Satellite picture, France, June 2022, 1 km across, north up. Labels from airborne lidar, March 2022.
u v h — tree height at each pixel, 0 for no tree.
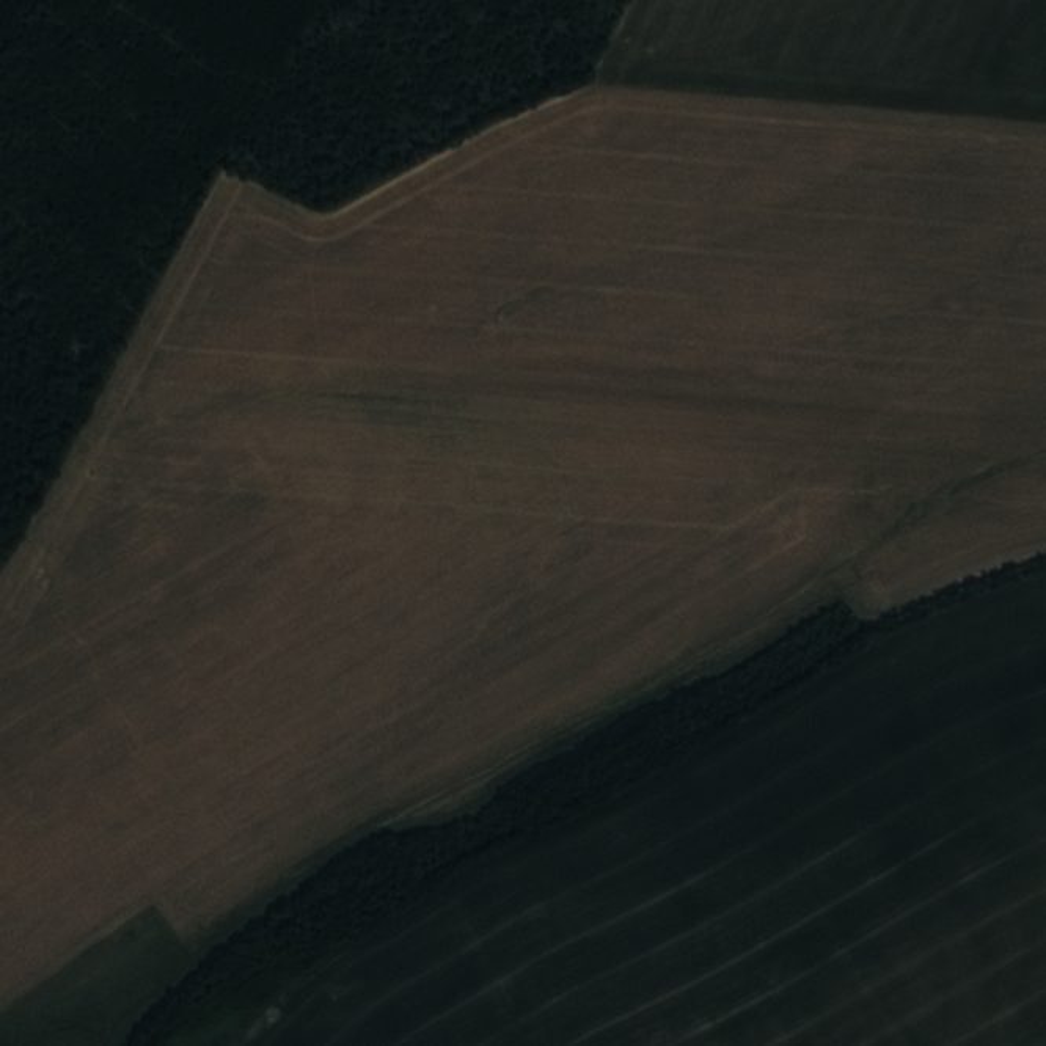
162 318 0
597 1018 0
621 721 0
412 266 0
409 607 0
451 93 7
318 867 0
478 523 0
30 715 0
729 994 0
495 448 0
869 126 0
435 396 0
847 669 0
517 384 0
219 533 0
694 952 0
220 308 0
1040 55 0
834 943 0
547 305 0
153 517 0
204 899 0
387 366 0
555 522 0
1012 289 0
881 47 0
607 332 0
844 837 0
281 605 0
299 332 0
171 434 0
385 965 0
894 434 0
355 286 0
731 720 14
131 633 0
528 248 0
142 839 0
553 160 0
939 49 0
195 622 0
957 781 0
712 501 0
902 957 0
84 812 0
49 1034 0
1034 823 0
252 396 0
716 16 0
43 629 0
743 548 0
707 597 0
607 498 0
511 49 8
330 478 0
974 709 0
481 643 0
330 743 0
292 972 0
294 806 0
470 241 0
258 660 0
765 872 0
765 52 0
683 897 0
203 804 0
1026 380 0
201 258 0
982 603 0
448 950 0
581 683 0
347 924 20
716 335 0
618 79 0
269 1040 0
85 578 0
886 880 0
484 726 0
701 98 0
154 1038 13
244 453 0
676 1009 0
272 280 0
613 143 0
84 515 0
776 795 0
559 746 0
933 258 0
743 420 0
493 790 0
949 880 0
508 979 0
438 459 0
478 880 0
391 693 0
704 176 0
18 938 0
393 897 19
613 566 0
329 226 0
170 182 9
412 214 0
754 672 7
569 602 0
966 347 0
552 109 0
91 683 0
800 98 0
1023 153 0
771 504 0
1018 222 0
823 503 0
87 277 7
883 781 0
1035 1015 0
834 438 0
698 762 0
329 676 0
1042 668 0
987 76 0
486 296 0
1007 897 0
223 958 21
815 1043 0
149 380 0
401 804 0
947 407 0
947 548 0
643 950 0
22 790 0
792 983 0
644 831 0
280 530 0
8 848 0
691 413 0
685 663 0
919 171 0
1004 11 0
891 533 0
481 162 0
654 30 0
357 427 0
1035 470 0
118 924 0
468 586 0
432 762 0
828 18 0
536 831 16
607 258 0
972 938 0
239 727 0
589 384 0
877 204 0
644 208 0
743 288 0
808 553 0
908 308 0
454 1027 0
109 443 0
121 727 0
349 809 0
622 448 0
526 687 0
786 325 0
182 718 0
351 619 0
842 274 0
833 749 0
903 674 0
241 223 0
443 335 0
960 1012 0
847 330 0
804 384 0
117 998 0
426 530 0
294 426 0
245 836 0
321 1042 0
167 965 0
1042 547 0
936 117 0
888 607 0
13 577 0
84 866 0
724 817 0
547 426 0
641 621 0
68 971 0
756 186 0
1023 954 0
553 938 0
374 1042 0
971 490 0
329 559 0
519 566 0
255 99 7
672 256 0
